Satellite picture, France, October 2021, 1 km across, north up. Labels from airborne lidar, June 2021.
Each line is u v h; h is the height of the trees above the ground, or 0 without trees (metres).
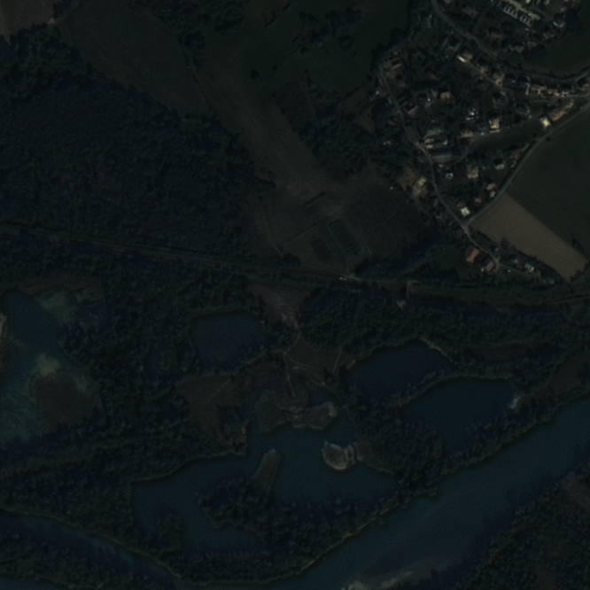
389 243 0
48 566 32
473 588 7
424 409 0
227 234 9
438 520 0
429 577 0
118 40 0
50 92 18
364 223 0
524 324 12
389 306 19
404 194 9
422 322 16
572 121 0
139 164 20
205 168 16
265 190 7
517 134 0
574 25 21
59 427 0
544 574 0
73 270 15
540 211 0
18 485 21
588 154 0
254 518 23
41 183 21
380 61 15
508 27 9
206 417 0
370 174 0
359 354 13
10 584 0
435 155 0
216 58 0
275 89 0
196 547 0
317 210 0
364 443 0
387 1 0
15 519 0
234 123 0
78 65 21
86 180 21
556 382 0
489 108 0
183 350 10
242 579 10
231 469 0
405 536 0
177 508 0
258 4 0
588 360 0
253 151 0
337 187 0
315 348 16
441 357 0
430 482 23
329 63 0
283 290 0
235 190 18
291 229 0
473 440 11
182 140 24
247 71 0
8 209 22
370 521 14
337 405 0
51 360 0
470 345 10
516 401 0
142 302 23
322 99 12
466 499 0
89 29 0
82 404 0
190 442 16
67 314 0
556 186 0
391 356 0
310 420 0
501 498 0
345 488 0
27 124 19
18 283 15
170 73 0
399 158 15
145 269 24
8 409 0
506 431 14
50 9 0
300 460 0
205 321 0
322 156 19
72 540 0
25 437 0
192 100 0
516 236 0
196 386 0
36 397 0
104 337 9
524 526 8
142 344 11
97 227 6
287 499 0
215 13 23
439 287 14
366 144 19
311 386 0
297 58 0
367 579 0
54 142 21
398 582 0
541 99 6
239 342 0
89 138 20
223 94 0
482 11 5
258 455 0
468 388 0
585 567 10
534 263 8
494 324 8
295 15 0
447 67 8
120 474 8
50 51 23
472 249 0
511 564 9
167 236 16
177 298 14
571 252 0
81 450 19
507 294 12
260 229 0
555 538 10
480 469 0
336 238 0
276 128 0
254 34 0
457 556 0
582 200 0
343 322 25
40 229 10
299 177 0
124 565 0
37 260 10
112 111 21
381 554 0
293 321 0
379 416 9
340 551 0
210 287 11
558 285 8
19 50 8
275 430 0
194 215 5
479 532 0
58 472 9
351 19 7
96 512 20
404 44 14
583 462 18
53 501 21
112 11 0
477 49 12
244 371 8
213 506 6
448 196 7
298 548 15
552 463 0
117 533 14
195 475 0
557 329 17
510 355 0
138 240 15
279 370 14
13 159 22
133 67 0
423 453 25
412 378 0
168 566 5
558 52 0
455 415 0
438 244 24
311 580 0
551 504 10
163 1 12
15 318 0
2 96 21
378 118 16
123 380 7
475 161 16
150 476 6
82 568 31
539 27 12
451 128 6
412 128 0
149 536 15
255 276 11
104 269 15
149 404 15
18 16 0
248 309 9
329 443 0
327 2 0
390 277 12
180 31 16
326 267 0
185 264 7
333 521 25
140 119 21
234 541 0
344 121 13
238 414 0
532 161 0
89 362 18
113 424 15
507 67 10
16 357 0
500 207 0
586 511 0
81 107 21
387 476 0
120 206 22
